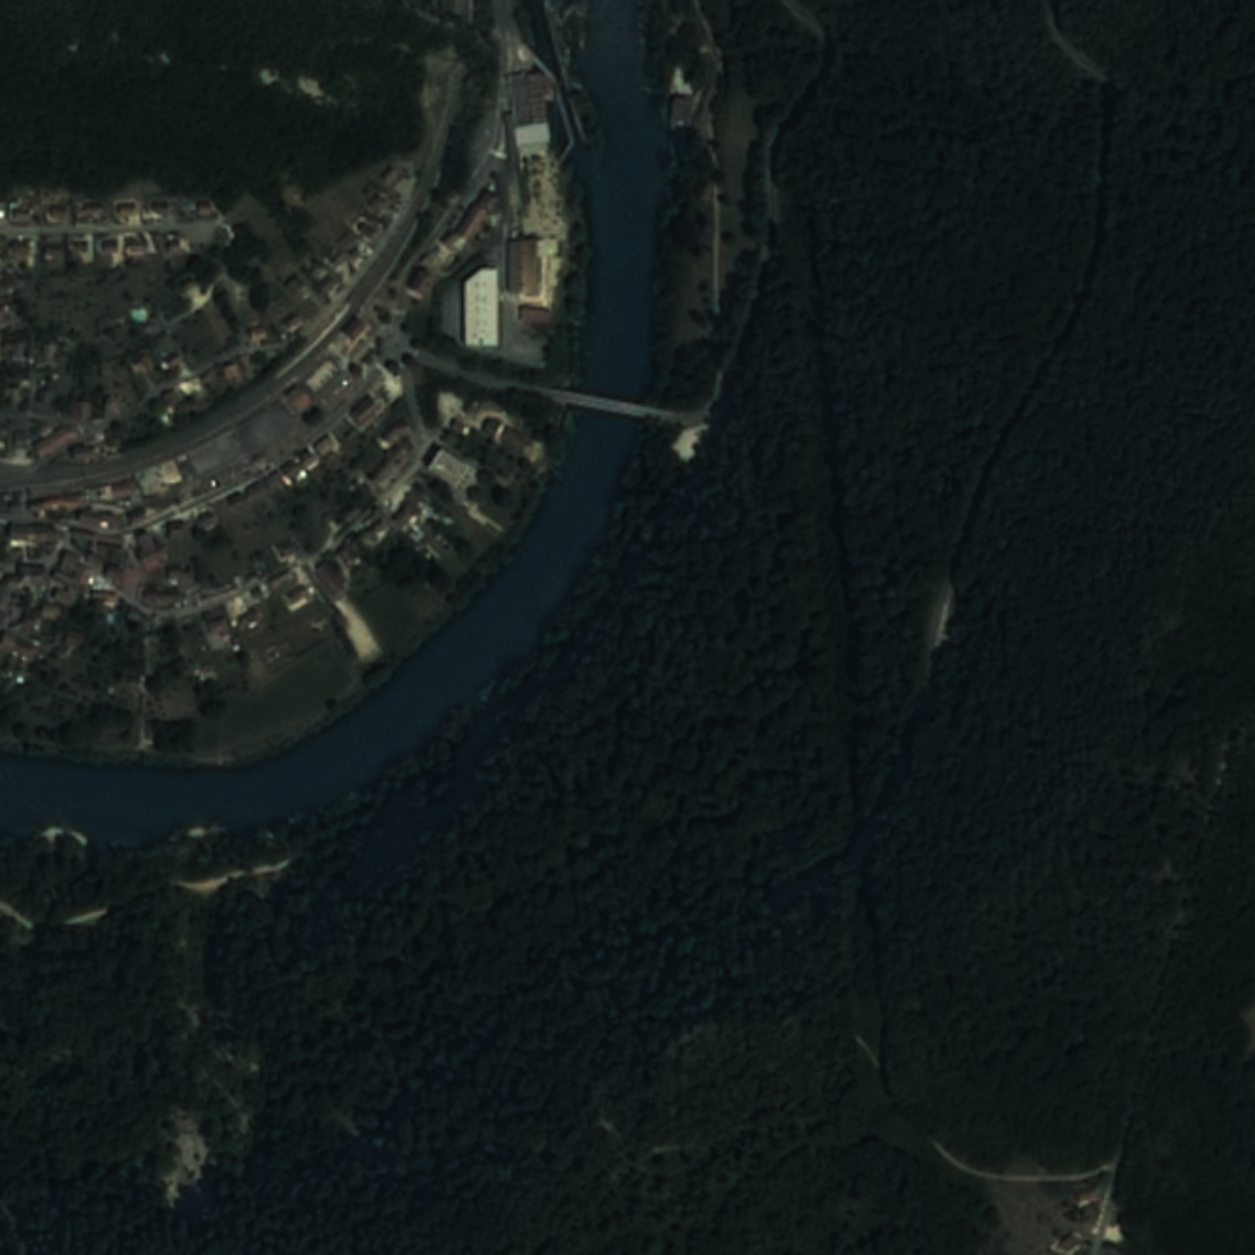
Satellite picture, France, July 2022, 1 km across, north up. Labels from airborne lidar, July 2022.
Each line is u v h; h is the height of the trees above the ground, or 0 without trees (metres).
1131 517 15
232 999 21
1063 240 28
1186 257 28
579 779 30
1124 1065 19
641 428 11
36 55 10
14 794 0
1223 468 19
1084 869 20
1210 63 32
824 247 25
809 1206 15
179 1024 15
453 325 0
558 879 28
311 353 0
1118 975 19
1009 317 28
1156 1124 16
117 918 15
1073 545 21
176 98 16
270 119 17
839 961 29
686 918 31
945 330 32
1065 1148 14
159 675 9
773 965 35
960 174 27
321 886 33
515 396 14
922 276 31
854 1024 18
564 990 34
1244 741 12
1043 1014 24
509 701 12
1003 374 24
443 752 22
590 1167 20
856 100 29
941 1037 19
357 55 15
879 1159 23
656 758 27
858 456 29
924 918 26
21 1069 10
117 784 0
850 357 23
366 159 21
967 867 26
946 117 26
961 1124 12
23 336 6
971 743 33
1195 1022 16
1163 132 22
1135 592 17
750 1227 8
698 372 29
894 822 29
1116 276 26
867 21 25
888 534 28
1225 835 16
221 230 0
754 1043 10
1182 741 24
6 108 18
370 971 30
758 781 28
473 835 37
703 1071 19
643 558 20
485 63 11
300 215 7
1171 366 23
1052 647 23
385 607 0
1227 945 12
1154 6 20
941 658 15
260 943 34
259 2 11
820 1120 18
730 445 19
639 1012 30
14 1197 32
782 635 20
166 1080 24
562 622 24
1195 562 12
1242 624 16
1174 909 19
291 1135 24
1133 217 27
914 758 40
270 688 0
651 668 37
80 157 16
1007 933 19
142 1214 28
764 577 28
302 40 9
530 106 0
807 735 35
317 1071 26
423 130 12
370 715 0
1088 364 27
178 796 0
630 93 0
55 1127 19
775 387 26
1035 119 20
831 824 31
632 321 0
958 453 25
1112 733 13
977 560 25
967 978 20
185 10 12
